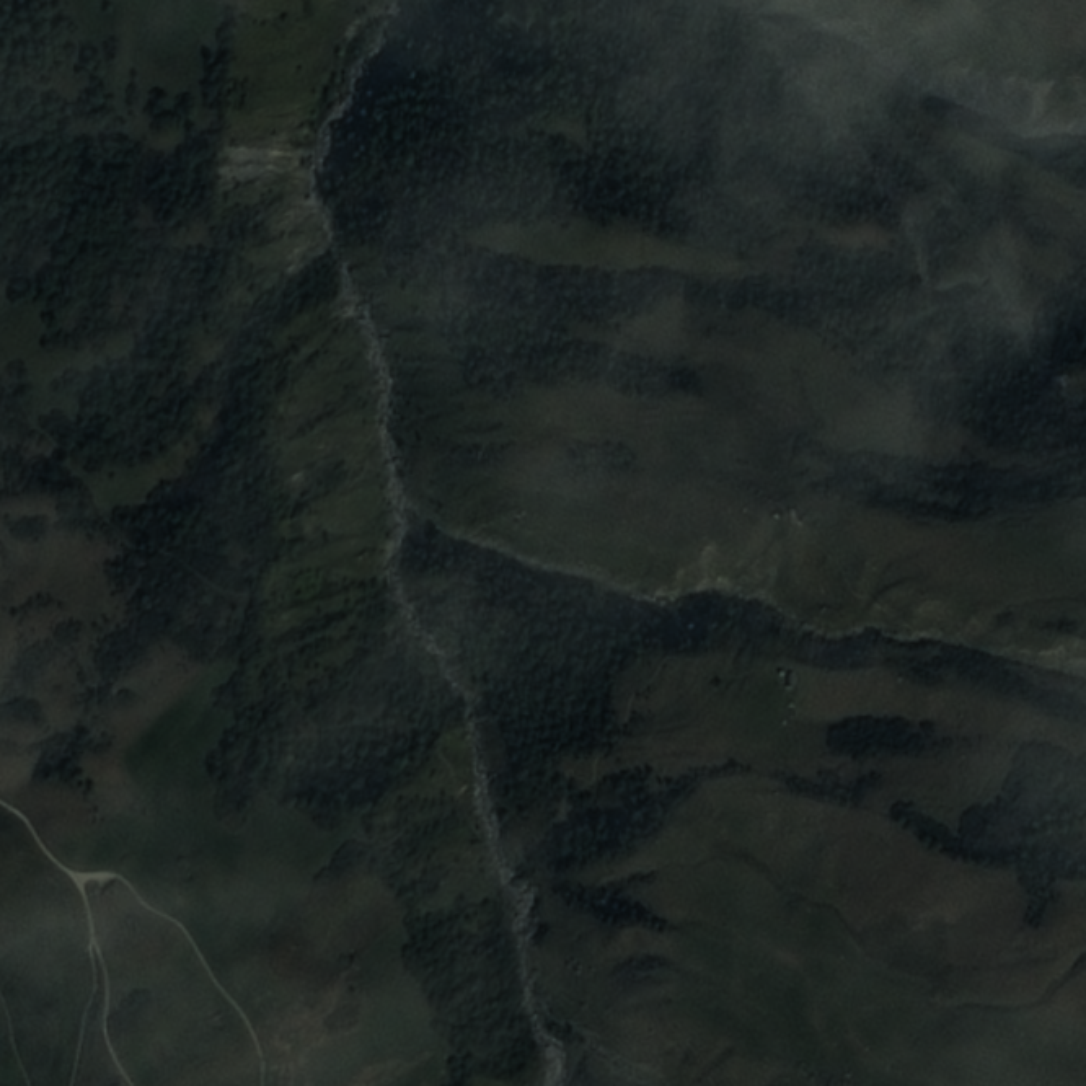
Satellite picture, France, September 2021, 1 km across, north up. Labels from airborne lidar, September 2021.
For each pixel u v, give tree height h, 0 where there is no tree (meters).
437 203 6
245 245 7
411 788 0
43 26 9
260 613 7
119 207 9
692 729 0
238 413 9
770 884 0
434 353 0
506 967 8
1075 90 0
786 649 0
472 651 9
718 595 0
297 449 0
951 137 0
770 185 6
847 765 0
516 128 9
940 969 0
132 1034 0
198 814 0
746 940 0
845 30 0
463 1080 9
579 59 8
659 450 0
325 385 0
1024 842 8
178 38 0
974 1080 0
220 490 8
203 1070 0
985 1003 0
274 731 7
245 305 7
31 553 0
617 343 0
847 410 0
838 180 7
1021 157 0
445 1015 10
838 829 0
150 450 8
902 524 0
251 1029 0
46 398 0
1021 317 0
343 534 0
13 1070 0
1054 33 0
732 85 6
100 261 8
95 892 0
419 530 0
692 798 0
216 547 9
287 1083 0
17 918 0
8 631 0
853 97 0
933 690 0
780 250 0
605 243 0
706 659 0
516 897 0
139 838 0
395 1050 0
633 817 10
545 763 9
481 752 0
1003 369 6
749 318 0
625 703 0
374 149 7
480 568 5
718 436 0
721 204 6
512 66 8
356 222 8
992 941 0
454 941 7
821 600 0
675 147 7
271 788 10
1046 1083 0
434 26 6
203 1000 0
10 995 0
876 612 0
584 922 0
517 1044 10
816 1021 0
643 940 0
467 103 12
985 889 0
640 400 7
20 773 0
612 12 10
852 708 0
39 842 0
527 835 0
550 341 6
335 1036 0
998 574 0
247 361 9
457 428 0
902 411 0
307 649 7
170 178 8
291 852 0
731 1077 0
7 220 9
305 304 6
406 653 7
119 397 11
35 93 8
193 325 9
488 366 8
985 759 0
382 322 0
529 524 0
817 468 0
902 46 0
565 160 8
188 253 6
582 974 0
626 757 0
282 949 0
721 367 0
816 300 7
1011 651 0
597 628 7
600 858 9
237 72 0
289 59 0
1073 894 0
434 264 6
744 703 0
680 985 0
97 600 0
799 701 0
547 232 0
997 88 0
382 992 0
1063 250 0
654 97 6
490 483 0
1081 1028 0
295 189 0
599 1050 0
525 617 6
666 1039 0
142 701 0
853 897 0
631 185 11
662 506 0
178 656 0
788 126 7
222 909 0
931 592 0
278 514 9
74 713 0
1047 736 0
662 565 0
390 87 6
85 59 8
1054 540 0
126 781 0
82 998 0
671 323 0
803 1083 0
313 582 9
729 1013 0
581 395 0
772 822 0
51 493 7
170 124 9
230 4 0
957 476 7
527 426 0
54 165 11
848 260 7
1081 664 0
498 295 8
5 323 0
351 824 0
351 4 0
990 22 0
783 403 0
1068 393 0
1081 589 0
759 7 0
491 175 9
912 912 0
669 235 11
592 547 0
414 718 8
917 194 6
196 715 0
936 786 0
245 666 9
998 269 0
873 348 6
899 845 0
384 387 0
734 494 0
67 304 9
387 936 0
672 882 0
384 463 0
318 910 0
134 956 0
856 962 0
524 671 9
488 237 0
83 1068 0
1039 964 0
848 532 0
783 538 0
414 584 0
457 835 0
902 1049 0
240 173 0
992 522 0
